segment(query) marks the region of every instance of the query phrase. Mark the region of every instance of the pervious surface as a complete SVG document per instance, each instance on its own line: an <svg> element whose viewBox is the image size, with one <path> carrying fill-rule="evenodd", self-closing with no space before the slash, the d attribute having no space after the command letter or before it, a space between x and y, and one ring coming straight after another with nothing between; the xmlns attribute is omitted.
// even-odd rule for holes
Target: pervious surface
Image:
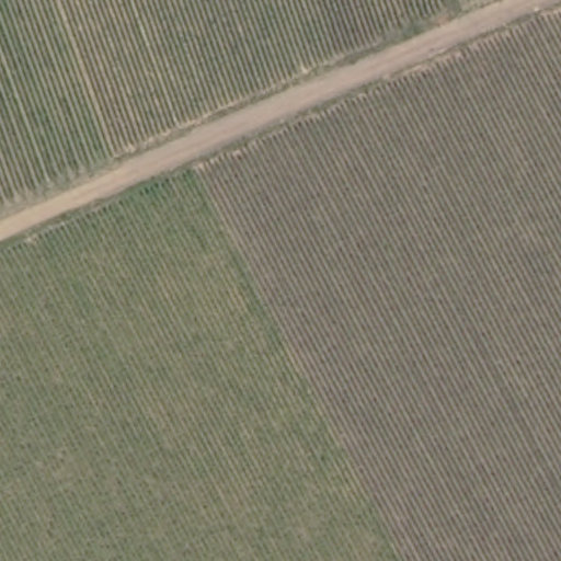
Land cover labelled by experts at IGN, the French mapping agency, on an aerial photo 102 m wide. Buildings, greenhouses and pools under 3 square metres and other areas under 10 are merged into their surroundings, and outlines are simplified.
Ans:
<svg viewBox="0 0 561 561"><path fill-rule="evenodd" d="M451 20L447 26L425 31L403 44L390 46L379 55L370 55L353 66L333 70L329 75L318 77L316 81L296 85L270 101L256 103L217 123L208 123L204 127L188 125L188 134L184 138L167 142L164 147L149 151L140 158L127 160L112 171L103 171L101 175L94 175L70 191L48 197L0 221L0 241L59 213L118 193L129 184L180 167L188 158L199 156L221 142L234 142L248 136L252 129L259 129L276 118L283 121L287 114L294 114L318 101L331 99L353 85L368 83L377 77L390 79L392 70L401 68L412 59L432 57L454 42L500 26L522 13L539 11L543 2L557 0L502 0L480 13L460 15Z"/></svg>

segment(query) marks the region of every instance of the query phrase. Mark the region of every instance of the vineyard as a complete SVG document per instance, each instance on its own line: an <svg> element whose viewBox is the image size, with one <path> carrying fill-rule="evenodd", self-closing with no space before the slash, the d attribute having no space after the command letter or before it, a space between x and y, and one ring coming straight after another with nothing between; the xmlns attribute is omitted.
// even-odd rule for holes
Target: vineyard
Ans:
<svg viewBox="0 0 561 561"><path fill-rule="evenodd" d="M353 66L370 55L379 55L390 46L403 44L425 31L447 26L451 20L460 15L480 13L502 0L0 0L0 221L48 197L70 191L94 175L101 175L103 171L112 171L127 160L140 158L149 151L164 147L167 142L184 138L188 134L188 125L204 127L208 123L217 123L256 103L270 101L296 85L316 81L318 77L329 75L333 70Z"/></svg>
<svg viewBox="0 0 561 561"><path fill-rule="evenodd" d="M221 142L199 156L188 158L180 167L129 184L118 193L59 213L0 241L0 561L561 561L561 0L557 0L543 2L539 11L522 13L500 26L454 42L432 57L412 59L401 68L392 70L390 79L377 77L368 83L353 85L331 99L318 101L294 114L287 114L283 121L276 118L259 129L252 129L248 136L234 142Z"/></svg>

